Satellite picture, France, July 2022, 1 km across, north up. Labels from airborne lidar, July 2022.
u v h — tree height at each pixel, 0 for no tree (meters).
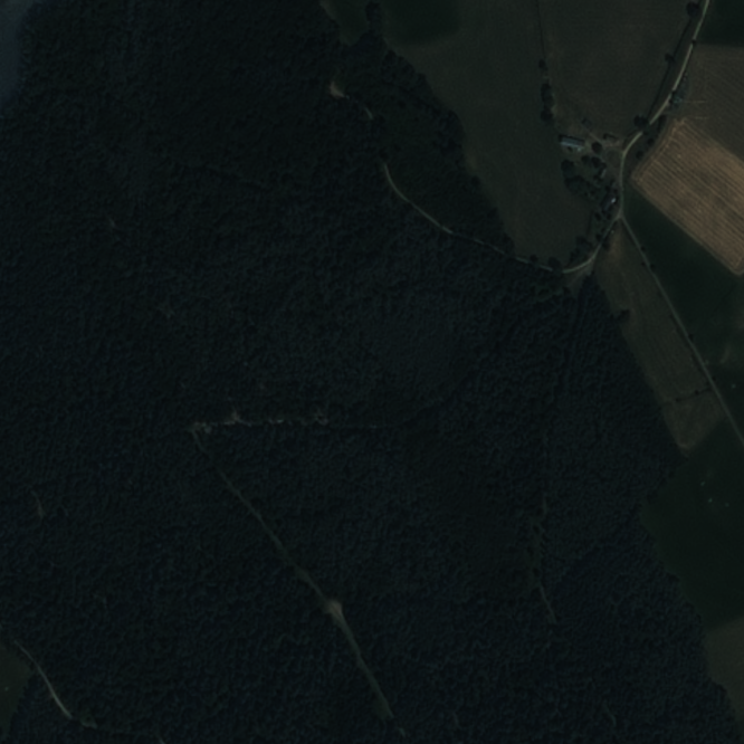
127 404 18
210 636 30
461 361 26
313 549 23
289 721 26
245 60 20
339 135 21
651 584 26
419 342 24
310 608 16
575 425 20
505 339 18
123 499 22
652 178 0
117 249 23
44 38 18
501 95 0
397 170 6
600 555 30
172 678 13
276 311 30
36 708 30
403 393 18
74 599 16
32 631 27
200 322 30
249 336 30
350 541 31
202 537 23
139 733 14
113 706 29
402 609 29
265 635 18
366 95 6
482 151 0
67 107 28
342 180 19
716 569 0
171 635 18
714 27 0
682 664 28
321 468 27
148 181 13
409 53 0
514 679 12
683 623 21
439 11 0
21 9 0
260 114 24
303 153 27
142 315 19
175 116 22
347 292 16
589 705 32
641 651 21
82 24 22
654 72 0
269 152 22
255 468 20
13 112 19
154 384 23
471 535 16
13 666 0
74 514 18
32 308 19
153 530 21
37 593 9
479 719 34
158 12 20
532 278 14
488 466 21
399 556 11
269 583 21
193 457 16
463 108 0
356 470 26
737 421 0
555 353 22
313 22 24
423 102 24
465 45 0
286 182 21
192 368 21
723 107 0
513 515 13
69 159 25
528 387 27
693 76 0
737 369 0
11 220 16
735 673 0
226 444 17
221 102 24
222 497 24
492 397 28
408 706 27
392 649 28
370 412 14
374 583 18
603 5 0
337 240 10
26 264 18
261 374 26
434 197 7
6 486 16
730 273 0
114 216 23
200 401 17
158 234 24
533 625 32
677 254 0
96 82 7
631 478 20
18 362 25
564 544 21
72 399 11
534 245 0
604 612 27
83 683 19
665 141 0
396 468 27
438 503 9
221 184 24
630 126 0
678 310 0
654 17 0
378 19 27
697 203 0
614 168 0
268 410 31
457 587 28
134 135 13
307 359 22
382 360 20
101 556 20
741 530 0
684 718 29
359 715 18
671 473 14
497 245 10
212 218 17
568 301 16
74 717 12
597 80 0
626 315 10
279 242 29
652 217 0
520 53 0
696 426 0
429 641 25
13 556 28
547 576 22
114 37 6
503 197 0
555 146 0
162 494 18
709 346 0
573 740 33
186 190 21
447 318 23
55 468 22
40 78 28
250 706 27
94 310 27
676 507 0
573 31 0
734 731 20
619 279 0
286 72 25
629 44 0
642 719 21
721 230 0
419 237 23
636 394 17
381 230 18
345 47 8
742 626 0
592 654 26
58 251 19
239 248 29
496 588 14
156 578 30
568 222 0
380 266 25
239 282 27
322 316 9
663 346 0
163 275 22
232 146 25
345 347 26
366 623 16
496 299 23
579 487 21
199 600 31
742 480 0
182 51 20
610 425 18
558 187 0
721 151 0
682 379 0
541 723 36
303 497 26
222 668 24
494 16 0
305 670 23
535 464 18
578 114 0
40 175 19
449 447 12
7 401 18
